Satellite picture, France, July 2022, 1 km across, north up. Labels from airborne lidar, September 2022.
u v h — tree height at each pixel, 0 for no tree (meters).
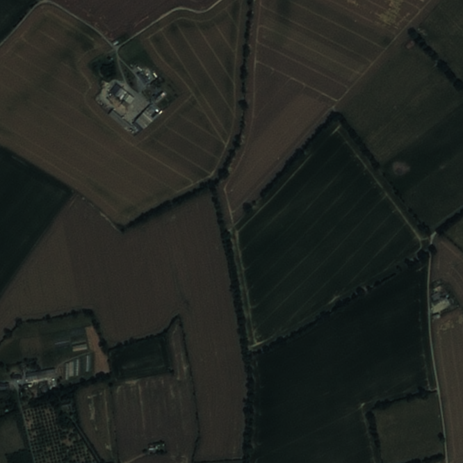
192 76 0
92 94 0
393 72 0
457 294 0
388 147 0
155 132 0
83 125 0
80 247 0
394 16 0
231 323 0
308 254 0
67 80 0
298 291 0
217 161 0
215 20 0
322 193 0
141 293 0
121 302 0
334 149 0
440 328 0
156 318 0
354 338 0
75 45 0
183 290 0
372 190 0
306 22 0
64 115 0
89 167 0
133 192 0
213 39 0
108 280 0
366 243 0
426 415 0
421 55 0
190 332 0
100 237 0
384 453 0
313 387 0
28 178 0
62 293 0
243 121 8
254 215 0
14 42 0
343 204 0
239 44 0
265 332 0
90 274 0
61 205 0
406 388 0
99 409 0
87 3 0
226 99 0
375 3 0
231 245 17
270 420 0
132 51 0
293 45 0
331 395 0
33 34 0
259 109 0
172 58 0
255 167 0
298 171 0
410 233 0
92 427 0
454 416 0
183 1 0
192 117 0
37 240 0
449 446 0
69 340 0
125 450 0
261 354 13
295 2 0
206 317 0
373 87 0
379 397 0
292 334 10
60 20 0
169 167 0
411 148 0
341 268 0
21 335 0
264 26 0
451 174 0
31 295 0
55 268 0
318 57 0
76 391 13
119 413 0
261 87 0
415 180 0
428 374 0
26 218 0
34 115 0
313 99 0
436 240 0
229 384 0
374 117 0
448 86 0
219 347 0
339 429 0
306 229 0
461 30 0
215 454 0
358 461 0
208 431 0
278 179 9
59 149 0
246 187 0
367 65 0
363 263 0
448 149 0
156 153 0
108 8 0
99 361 0
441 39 0
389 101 0
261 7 0
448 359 0
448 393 0
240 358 0
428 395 19
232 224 0
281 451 0
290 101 0
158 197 0
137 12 0
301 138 0
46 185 0
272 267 0
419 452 0
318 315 0
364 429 0
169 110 0
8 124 0
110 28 0
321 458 0
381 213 0
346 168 0
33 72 0
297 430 0
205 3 0
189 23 0
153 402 0
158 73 0
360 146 13
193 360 0
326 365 0
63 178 0
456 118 0
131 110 0
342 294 0
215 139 0
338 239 0
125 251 0
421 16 0
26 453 6
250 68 0
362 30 0
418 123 0
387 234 0
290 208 0
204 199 0
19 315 0
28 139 0
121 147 0
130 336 0
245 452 11
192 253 0
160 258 0
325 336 0
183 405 0
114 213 0
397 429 0
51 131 0
